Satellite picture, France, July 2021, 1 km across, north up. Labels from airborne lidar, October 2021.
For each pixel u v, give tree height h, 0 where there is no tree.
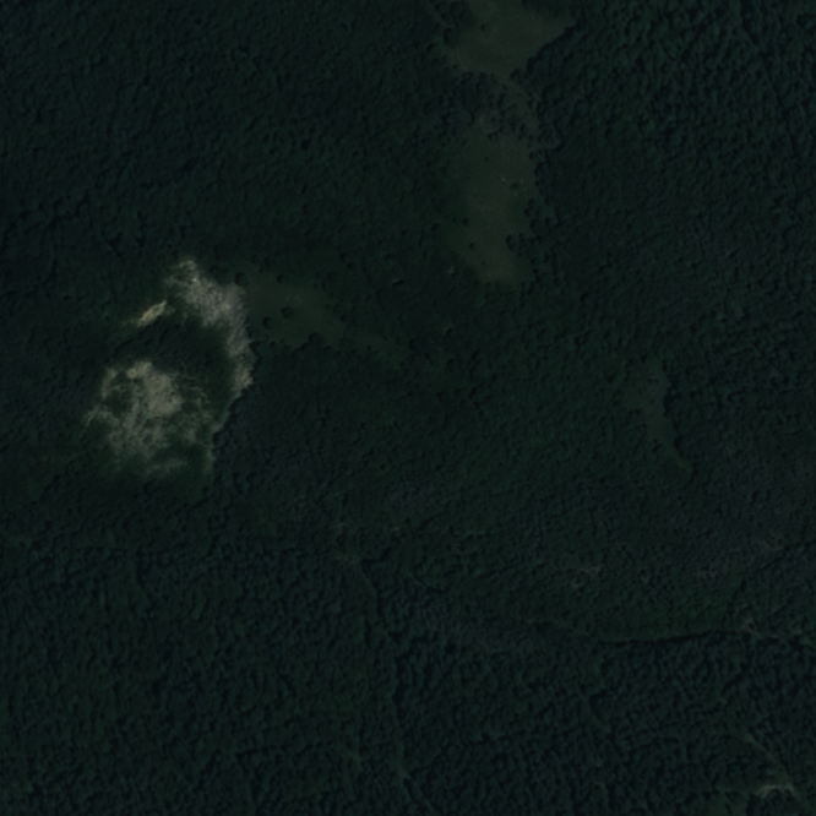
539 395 23
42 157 30
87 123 16
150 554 22
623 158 17
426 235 21
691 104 10
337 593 34
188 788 26
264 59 30
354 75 32
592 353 26
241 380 0
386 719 24
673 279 18
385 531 25
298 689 47
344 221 26
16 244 22
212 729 22
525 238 12
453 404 26
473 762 24
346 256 22
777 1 28
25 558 22
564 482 18
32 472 33
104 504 11
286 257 11
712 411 24
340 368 26
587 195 22
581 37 22
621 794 31
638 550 18
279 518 23
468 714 30
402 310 21
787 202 16
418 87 26
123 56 25
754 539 23
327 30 29
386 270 22
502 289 14
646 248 21
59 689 29
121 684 27
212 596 35
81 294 20
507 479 18
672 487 19
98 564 35
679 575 18
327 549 15
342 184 19
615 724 23
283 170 25
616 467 23
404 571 32
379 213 22
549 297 24
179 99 28
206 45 29
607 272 28
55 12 25
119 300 21
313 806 27
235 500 30
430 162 19
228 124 24
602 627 20
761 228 16
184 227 24
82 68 23
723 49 24
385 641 34
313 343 15
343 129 27
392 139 23
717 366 26
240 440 24
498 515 18
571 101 20
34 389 21
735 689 24
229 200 24
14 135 32
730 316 24
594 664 27
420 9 23
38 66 26
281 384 22
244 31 29
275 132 26
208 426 7
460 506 15
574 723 30
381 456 24
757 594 18
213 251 6
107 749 29
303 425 24
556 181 19
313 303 0
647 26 23
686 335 25
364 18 32
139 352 17
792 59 25
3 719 28
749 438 24
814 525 23
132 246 26
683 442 15
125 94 25
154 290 19
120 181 29
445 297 20
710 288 17
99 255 23
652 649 19
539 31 0
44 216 10
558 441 19
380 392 26
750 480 20
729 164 12
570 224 21
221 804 25
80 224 28
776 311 24
